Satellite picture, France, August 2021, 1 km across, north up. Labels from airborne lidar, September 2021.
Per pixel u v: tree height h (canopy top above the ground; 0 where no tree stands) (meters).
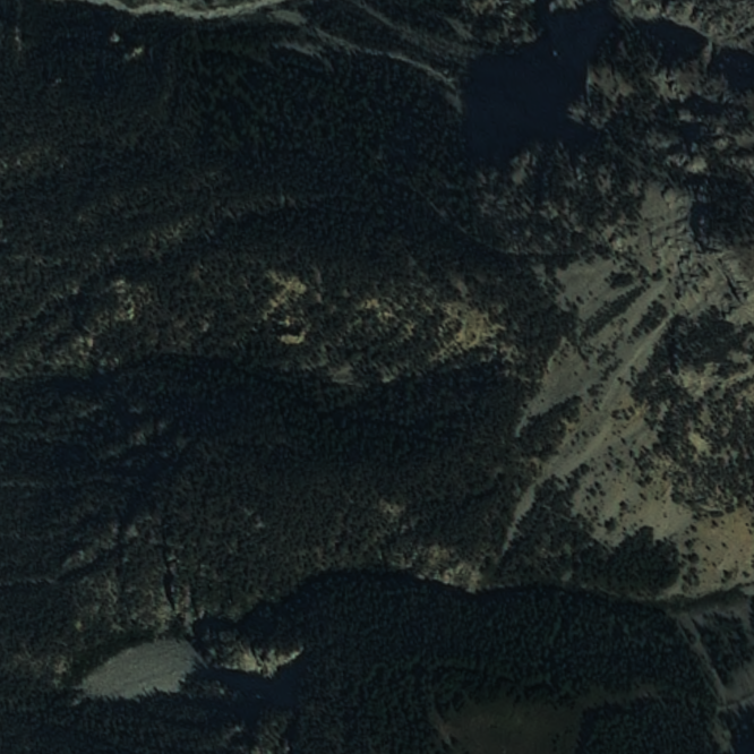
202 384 23
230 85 26
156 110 11
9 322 12
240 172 16
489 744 0
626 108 10
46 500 9
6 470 8
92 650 7
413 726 15
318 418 26
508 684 17
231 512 12
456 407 6
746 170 6
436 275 12
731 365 6
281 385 16
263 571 10
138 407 10
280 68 17
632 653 12
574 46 0
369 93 13
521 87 0
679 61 6
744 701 0
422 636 12
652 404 8
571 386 0
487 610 17
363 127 18
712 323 7
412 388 14
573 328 6
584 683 25
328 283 13
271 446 17
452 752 17
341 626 12
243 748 10
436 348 6
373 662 17
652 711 15
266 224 27
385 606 9
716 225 11
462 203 11
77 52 17
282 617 20
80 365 7
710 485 7
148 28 9
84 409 7
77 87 19
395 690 17
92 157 12
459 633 19
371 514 12
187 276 10
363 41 7
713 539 0
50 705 6
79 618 8
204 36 13
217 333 8
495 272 11
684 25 0
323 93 20
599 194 10
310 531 13
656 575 14
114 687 0
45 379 7
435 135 18
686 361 8
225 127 19
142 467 7
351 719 7
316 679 8
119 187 10
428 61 7
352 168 11
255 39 11
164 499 9
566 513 7
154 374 16
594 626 15
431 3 6
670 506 0
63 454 7
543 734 0
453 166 15
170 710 9
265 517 10
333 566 12
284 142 20
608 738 19
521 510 0
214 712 8
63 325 11
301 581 10
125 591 13
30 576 9
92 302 7
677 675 16
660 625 8
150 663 0
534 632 19
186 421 16
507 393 10
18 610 7
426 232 9
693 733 9
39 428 7
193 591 8
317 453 17
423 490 17
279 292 8
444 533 13
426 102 15
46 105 11
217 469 12
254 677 0
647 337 0
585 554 9
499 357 5
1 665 7
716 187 8
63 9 7
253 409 14
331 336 8
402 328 8
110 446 13
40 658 7
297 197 10
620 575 19
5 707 13
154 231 6
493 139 7
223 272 10
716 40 0
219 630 8
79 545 12
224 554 13
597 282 0
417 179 20
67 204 8
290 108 17
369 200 17
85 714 15
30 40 14
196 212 11
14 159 6
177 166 14
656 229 0
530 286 8
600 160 7
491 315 7
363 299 11
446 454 15
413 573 7
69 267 12
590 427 0
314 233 13
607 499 0
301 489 11
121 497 10
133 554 7
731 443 8
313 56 0
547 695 13
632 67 14
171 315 12
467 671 15
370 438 21
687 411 8
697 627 0
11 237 9
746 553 0
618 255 9
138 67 14
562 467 0
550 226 7
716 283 0
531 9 9
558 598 22
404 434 21
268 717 10
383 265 14
